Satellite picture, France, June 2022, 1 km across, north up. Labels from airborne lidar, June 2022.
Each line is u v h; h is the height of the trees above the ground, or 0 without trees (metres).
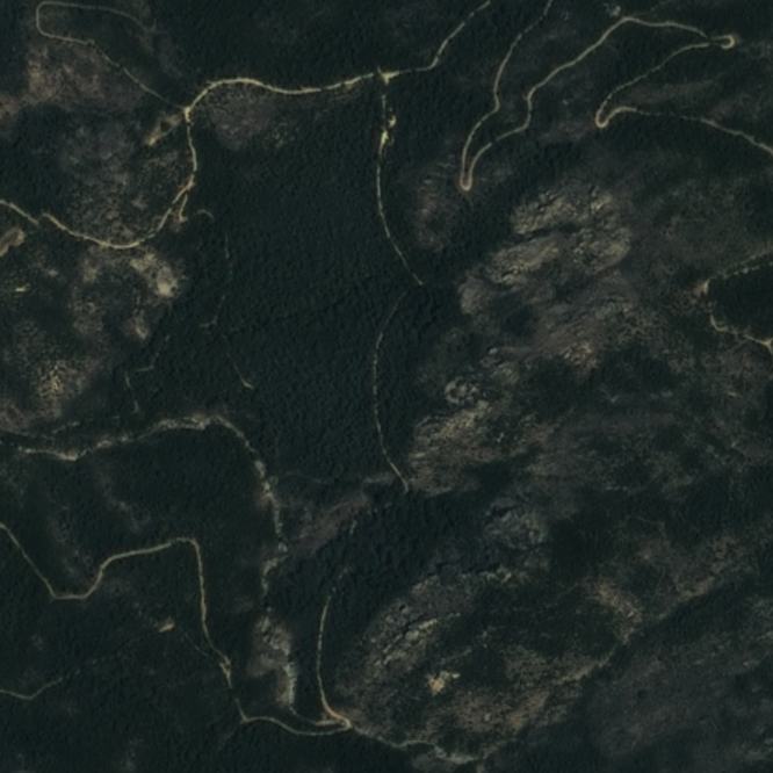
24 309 7
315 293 10
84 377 0
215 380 11
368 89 8
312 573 14
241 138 0
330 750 6
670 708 0
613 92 6
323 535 0
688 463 7
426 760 0
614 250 0
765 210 9
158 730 6
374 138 10
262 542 9
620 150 7
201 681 8
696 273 6
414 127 9
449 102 9
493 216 7
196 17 7
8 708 8
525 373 6
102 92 0
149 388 12
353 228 7
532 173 7
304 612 9
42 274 6
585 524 6
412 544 9
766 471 8
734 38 0
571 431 0
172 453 9
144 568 8
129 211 6
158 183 8
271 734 9
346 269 9
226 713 7
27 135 8
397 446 10
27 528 6
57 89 0
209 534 6
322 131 12
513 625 5
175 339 9
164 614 10
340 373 11
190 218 7
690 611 6
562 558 8
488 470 5
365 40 12
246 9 6
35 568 10
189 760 13
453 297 9
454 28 8
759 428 5
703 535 8
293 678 0
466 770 6
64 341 8
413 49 6
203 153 7
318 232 8
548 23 9
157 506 10
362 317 15
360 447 9
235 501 7
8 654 7
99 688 7
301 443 9
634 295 0
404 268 6
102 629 5
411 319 13
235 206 11
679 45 8
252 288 9
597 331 0
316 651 9
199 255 13
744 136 7
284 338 8
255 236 8
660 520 6
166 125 10
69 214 6
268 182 9
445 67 9
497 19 11
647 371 6
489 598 8
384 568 13
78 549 6
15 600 14
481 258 9
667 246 0
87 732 6
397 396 12
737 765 0
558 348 0
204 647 10
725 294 8
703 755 0
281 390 9
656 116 9
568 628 6
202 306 6
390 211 6
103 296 8
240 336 17
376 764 7
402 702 7
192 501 11
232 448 7
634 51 9
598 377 11
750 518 8
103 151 0
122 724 7
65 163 0
